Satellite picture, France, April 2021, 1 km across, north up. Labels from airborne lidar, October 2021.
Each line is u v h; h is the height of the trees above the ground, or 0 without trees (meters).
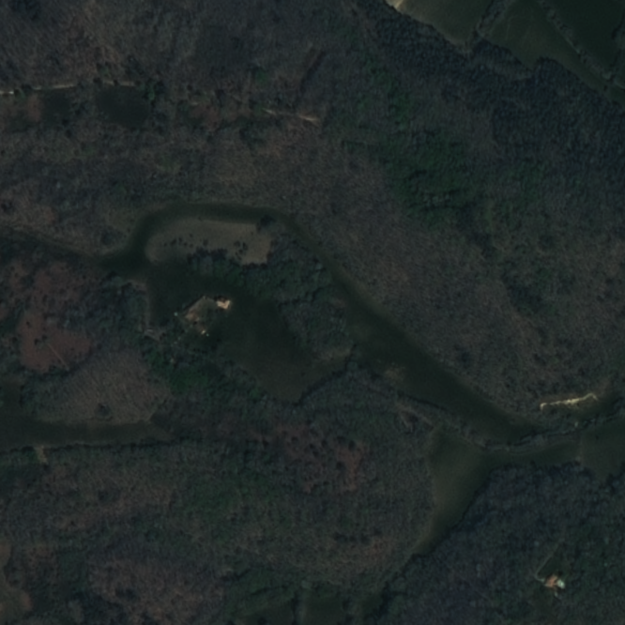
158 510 15
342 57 21
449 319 23
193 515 19
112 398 16
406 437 22
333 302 12
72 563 7
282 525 20
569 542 19
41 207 16
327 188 13
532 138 22
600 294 16
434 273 17
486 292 14
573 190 18
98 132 21
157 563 11
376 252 10
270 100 15
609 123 19
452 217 23
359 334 0
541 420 16
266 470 16
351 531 16
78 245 9
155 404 17
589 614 22
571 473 20
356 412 19
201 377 18
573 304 25
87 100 12
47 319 13
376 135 21
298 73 14
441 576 15
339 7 12
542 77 16
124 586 9
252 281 21
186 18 14
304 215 17
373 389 19
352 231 15
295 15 18
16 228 0
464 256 17
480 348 20
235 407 13
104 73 20
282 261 19
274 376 0
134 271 0
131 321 15
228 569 19
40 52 10
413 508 25
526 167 21
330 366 0
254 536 18
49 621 9
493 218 12
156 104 11
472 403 0
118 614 18
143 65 6
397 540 17
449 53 15
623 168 17
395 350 0
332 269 0
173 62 15
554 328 20
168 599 12
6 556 0
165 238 0
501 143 21
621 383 24
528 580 21
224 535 25
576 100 23
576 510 27
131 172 16
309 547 19
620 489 24
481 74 12
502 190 16
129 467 20
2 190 8
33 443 0
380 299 19
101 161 8
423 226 22
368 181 16
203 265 21
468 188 24
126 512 14
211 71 7
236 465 14
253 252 0
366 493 9
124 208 19
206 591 10
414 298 16
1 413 0
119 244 22
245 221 0
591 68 12
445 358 12
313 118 12
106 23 15
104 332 13
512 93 19
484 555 25
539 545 23
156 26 21
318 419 16
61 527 16
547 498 24
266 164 15
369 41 15
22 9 27
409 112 21
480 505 14
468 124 20
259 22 11
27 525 13
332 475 9
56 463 20
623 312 19
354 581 21
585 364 24
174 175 14
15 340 6
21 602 0
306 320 21
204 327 8
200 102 13
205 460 15
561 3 0
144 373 18
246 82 11
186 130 16
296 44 20
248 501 20
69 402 18
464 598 13
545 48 0
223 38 11
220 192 19
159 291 0
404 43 14
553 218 21
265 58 16
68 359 0
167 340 9
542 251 20
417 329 24
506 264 11
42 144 18
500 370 23
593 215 17
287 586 22
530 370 23
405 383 0
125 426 0
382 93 22
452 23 0
